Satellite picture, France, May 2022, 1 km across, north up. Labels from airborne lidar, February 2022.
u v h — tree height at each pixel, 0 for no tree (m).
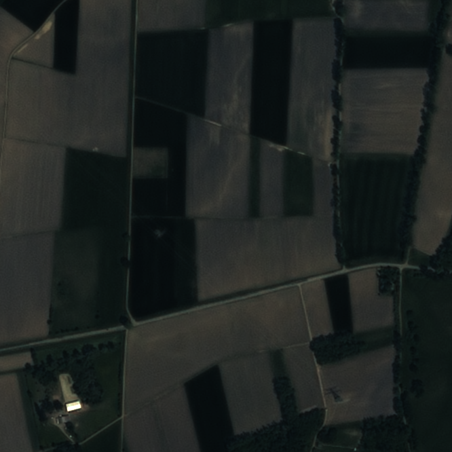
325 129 0
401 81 0
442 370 0
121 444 0
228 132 0
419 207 0
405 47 0
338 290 0
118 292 0
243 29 0
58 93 0
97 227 0
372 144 0
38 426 0
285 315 0
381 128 0
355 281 0
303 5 0
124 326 24
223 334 0
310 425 13
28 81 0
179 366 0
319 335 0
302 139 0
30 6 0
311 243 0
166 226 0
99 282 0
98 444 0
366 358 0
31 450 0
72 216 0
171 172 0
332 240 0
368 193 0
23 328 0
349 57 0
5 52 0
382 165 0
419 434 0
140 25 0
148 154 0
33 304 0
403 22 0
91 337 0
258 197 0
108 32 0
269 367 0
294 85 0
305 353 0
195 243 0
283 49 0
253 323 0
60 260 0
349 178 0
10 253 0
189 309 0
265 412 0
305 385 0
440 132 0
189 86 0
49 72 0
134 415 0
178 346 0
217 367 0
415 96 0
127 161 0
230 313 0
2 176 0
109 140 0
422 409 0
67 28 0
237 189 0
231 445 17
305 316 0
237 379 0
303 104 0
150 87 0
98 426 0
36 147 0
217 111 0
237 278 0
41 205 0
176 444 0
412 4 0
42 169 0
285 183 0
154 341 0
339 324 0
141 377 0
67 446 19
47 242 0
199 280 0
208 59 0
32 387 0
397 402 18
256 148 0
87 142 0
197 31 0
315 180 0
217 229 0
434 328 0
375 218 0
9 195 0
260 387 0
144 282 0
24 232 0
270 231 0
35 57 0
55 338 0
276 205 0
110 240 0
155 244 0
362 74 0
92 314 0
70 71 0
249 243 0
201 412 0
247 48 0
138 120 0
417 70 0
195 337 0
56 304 0
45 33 0
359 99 0
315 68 0
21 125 0
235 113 0
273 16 0
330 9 0
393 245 0
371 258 0
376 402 0
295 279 0
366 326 0
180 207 0
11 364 0
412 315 12
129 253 0
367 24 0
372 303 0
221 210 0
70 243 0
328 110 0
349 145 0
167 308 0
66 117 0
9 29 0
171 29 0
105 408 0
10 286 0
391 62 0
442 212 0
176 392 0
